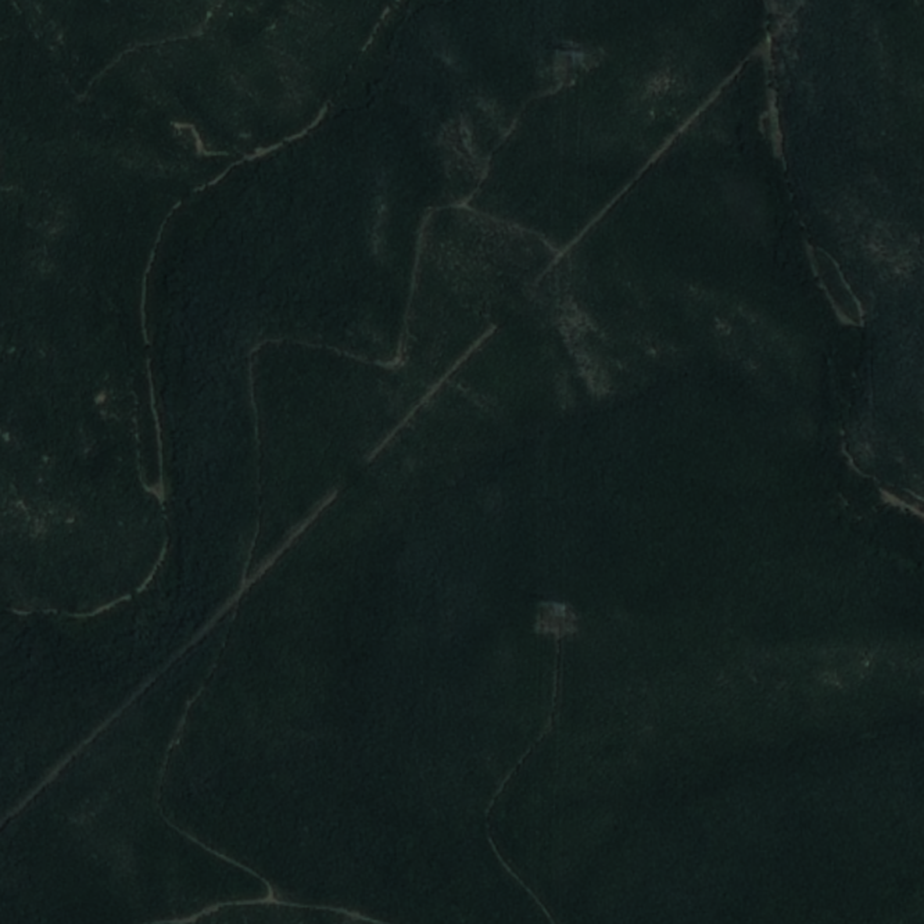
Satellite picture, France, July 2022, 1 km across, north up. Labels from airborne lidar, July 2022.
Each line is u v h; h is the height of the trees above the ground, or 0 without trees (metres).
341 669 10
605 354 6
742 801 6
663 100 7
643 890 6
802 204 6
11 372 9
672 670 7
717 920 7
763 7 7
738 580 7
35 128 5
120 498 7
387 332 6
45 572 7
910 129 8
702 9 6
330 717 11
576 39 6
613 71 6
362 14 7
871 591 8
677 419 8
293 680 9
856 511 8
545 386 8
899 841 6
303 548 9
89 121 6
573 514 8
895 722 7
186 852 8
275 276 9
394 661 7
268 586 8
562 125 6
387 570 7
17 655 10
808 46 8
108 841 6
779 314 7
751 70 7
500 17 6
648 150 6
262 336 7
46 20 6
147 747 7
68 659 12
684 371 10
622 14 7
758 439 8
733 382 8
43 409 13
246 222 7
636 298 6
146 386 7
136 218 6
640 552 8
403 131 8
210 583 9
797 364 5
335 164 8
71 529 6
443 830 9
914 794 7
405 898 9
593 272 6
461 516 6
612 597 6
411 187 8
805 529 9
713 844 8
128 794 6
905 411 6
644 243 7
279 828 9
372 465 6
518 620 7
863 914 6
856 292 9
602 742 10
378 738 9
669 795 13
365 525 7
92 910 7
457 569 8
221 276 9
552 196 7
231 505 6
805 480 14
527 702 7
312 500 7
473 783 6
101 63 5
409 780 7
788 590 8
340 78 7
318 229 6
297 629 7
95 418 9
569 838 7
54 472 8
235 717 8
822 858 7
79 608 7
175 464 7
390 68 10
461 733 6
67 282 10
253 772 11
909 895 7
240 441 6
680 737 8
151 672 6
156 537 9
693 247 8
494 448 8
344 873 8
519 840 6
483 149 6
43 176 9
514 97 7
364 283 6
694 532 8
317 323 7
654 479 9
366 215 8
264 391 6
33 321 11
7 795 7
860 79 6
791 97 7
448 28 6
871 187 6
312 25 6
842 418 12
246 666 13
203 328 9
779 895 8
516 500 8
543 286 6
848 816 6
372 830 8
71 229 9
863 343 9
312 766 11
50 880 7
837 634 7
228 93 6
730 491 7
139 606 11
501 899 7
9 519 7
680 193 7
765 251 11
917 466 6
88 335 7
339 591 10
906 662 6
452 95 7
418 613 6
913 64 6
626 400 9
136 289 6
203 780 7
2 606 7
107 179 6
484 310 9
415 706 7
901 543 10
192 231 7
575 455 9
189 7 6
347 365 7
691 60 6
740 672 6
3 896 8
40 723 7
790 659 6
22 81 11
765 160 12
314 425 8
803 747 11
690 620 7
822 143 7
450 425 7
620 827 9
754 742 6
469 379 8
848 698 8
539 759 8
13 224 11
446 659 7
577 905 9
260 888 6
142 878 7
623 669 6
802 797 7
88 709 9
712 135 7
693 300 7
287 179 7
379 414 7
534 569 6
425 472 8
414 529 6
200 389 8
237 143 6
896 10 6
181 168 8
